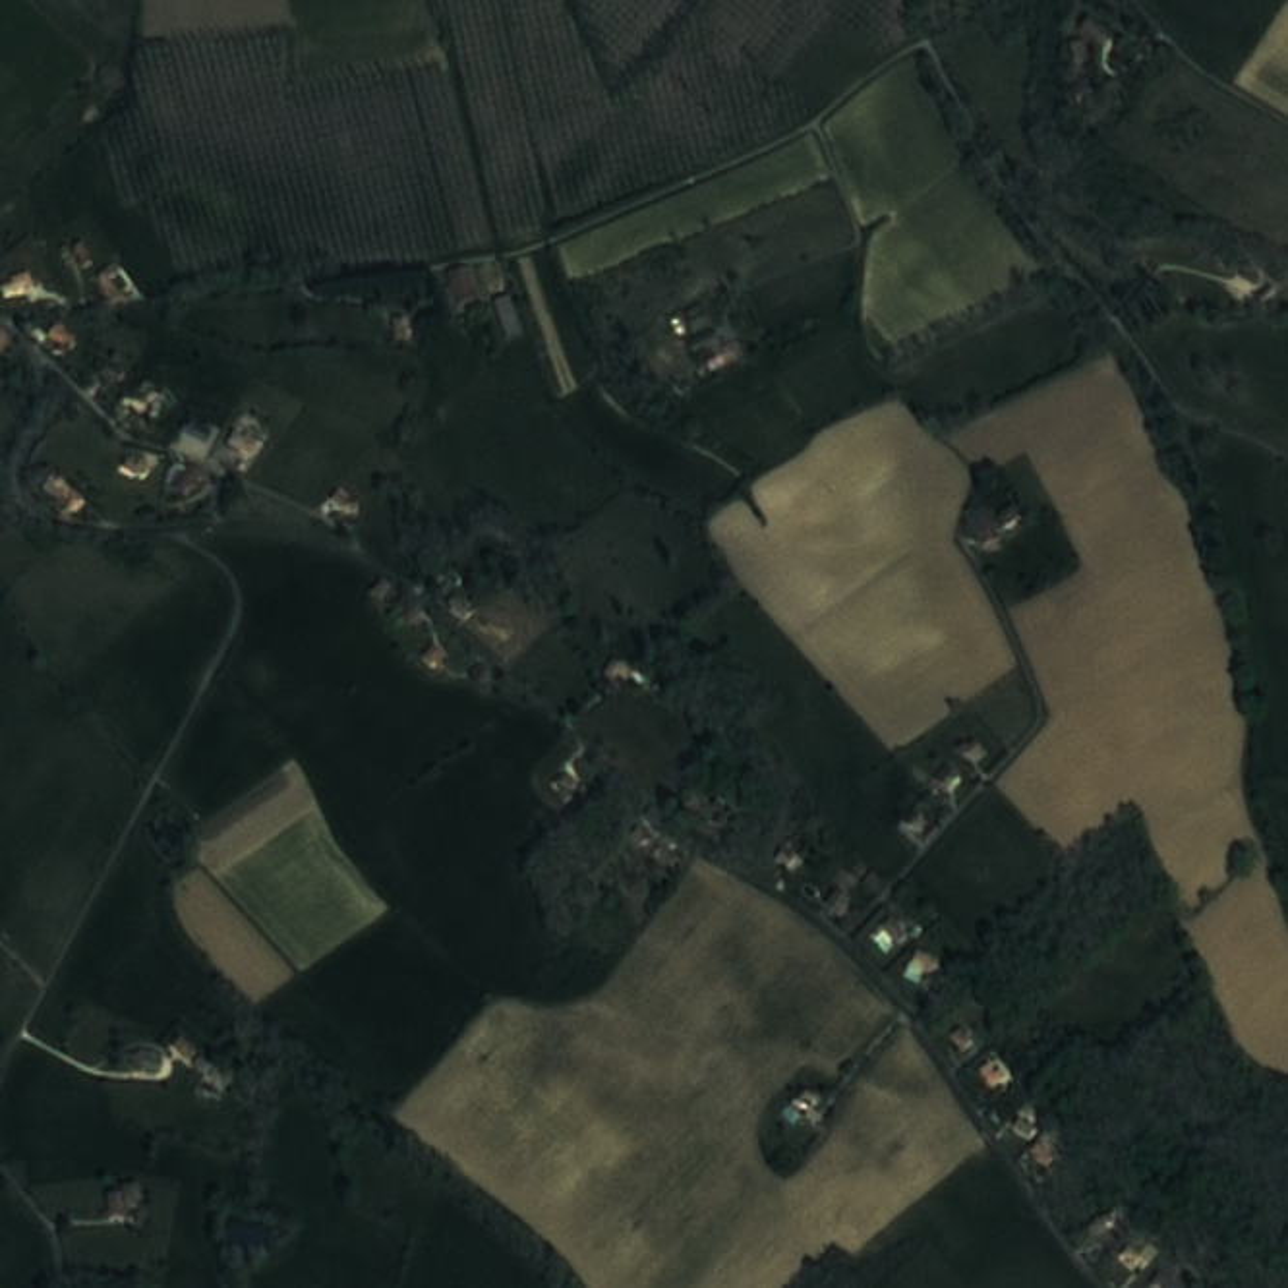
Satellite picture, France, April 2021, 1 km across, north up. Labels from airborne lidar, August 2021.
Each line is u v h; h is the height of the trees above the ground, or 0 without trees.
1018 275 0
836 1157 0
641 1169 0
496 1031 0
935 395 0
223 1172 0
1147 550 0
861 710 0
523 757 0
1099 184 6
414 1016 0
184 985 0
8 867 0
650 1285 0
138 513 6
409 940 0
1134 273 31
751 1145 0
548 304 0
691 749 0
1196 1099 20
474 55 16
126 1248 0
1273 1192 24
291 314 0
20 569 0
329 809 0
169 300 17
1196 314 16
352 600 0
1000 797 0
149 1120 0
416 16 0
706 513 11
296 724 0
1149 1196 22
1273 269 22
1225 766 0
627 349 17
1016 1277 0
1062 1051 14
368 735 0
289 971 0
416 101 22
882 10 26
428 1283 0
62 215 0
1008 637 0
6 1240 0
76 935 0
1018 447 0
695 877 0
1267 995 0
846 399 0
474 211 23
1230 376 12
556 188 24
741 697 14
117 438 20
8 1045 9
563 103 21
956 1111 0
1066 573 0
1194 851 0
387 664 0
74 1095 0
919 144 0
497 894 0
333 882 0
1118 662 0
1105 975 0
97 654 0
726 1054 0
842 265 0
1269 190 0
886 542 0
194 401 0
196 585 0
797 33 22
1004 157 18
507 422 0
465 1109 0
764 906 0
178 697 0
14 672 0
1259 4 0
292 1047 24
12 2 0
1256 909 0
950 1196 0
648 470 0
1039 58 16
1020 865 0
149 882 0
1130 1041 8
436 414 0
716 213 0
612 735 0
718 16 25
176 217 19
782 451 0
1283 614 0
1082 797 0
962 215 0
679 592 0
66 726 0
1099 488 0
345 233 30
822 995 0
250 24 0
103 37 0
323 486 0
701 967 0
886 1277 12
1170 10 0
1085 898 15
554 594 23
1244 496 0
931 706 0
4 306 0
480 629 0
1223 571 28
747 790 23
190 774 0
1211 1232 24
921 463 0
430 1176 32
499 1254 0
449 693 0
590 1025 0
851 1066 7
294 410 0
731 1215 0
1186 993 15
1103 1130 23
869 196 0
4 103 0
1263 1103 22
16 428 6
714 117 21
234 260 20
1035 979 23
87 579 0
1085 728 0
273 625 0
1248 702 19
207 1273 0
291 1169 0
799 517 0
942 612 0
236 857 0
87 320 9
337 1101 26
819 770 0
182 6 0
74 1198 0
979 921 0
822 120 0
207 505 9
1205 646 0
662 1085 0
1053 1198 15
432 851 0
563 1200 0
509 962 0
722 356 0
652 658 26
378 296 10
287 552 0
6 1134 0
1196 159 0
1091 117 11
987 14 9
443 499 0
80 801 0
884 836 0
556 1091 0
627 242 0
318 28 0
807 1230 0
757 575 0
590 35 15
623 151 22
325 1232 0
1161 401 19
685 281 0
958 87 7
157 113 24
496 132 22
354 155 27
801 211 0
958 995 20
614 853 20
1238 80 0
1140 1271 6
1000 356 0
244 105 26
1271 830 12
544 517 0
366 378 0
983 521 0
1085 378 0
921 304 0
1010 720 0
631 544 0
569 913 18
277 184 28
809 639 0
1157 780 0
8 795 0
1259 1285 24
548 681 0
